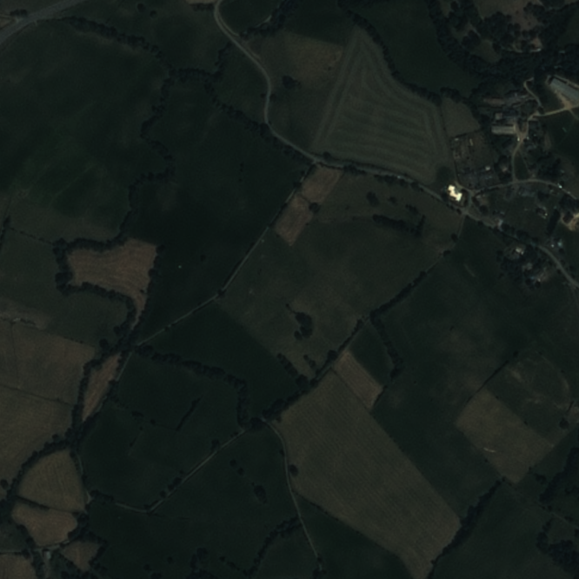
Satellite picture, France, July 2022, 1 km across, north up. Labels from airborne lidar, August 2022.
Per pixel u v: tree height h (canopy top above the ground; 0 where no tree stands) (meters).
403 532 0
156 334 0
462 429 0
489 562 0
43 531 0
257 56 0
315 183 0
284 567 0
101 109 0
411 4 0
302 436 0
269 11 0
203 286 0
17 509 0
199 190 0
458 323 0
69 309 0
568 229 0
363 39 0
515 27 10
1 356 0
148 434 0
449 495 0
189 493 0
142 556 0
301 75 0
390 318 0
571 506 0
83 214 0
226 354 0
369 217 0
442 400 0
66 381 0
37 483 0
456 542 15
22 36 0
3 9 0
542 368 0
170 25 0
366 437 0
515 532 0
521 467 0
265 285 0
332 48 0
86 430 19
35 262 0
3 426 0
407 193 0
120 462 0
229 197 0
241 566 0
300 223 0
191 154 0
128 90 0
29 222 0
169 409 0
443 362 0
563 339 0
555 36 15
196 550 0
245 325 0
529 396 0
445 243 0
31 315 0
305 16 0
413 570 0
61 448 10
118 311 0
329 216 0
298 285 0
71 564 15
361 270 0
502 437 0
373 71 0
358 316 0
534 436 0
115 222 0
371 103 0
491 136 10
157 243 0
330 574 0
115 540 0
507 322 0
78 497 0
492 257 0
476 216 0
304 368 0
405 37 0
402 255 0
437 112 0
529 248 13
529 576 0
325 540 0
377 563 0
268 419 16
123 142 0
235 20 0
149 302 7
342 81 0
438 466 0
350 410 0
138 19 0
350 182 0
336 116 0
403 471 0
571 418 0
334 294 0
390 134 0
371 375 0
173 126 0
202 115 0
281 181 0
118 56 0
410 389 0
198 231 0
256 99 0
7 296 0
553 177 12
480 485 0
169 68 10
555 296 0
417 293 0
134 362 0
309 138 0
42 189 0
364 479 0
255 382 0
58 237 0
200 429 0
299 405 0
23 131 0
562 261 7
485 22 10
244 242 0
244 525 0
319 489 0
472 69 12
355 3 13
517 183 0
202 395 0
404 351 0
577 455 19
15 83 0
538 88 13
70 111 0
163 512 0
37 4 0
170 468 0
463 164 0
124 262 0
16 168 0
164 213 0
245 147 0
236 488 0
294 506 0
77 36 0
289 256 0
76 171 0
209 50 0
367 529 0
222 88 0
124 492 0
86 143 0
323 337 0
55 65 0
